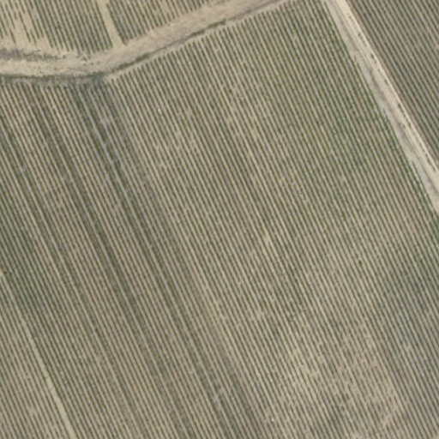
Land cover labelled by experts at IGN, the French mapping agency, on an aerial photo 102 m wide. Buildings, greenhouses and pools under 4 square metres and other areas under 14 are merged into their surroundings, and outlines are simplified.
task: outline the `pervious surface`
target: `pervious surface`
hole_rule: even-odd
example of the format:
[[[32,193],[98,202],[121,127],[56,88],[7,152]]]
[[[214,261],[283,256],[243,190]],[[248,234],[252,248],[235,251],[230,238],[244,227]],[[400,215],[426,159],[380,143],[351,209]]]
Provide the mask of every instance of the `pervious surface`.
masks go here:
[[[382,115],[388,117],[398,144],[405,151],[408,163],[415,171],[415,175],[422,180],[422,187],[429,195],[432,207],[439,213],[439,165],[425,144],[424,137],[420,135],[417,123],[406,110],[405,101],[401,101],[400,94],[384,69],[377,51],[370,45],[364,27],[360,26],[357,15],[353,14],[352,7],[346,0],[321,0],[322,7],[333,17],[350,55],[358,63],[360,74],[369,84],[377,105],[381,106]]]

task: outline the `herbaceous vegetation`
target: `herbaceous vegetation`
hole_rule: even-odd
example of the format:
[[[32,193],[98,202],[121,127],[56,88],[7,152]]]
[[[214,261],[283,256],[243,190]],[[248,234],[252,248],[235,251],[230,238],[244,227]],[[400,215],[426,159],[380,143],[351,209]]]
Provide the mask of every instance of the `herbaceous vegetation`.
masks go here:
[[[195,29],[201,29],[219,19],[225,19],[226,27],[232,29],[242,26],[257,15],[281,9],[286,3],[295,0],[209,0],[201,9],[180,15],[178,19],[168,22],[165,26],[149,29],[141,38],[123,43],[111,22],[106,5],[108,0],[98,0],[99,10],[110,34],[110,50],[98,51],[89,60],[79,60],[77,50],[51,46],[46,38],[39,38],[36,43],[29,41],[24,50],[0,50],[0,74],[93,74],[99,70],[110,69],[118,63],[129,62],[137,55],[154,50],[156,46],[165,45],[170,39],[180,38],[183,34],[192,33]]]

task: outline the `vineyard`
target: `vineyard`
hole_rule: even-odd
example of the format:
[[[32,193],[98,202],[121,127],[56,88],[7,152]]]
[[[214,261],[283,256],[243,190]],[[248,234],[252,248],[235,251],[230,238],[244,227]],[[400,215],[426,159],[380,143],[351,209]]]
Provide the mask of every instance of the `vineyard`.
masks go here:
[[[141,38],[149,29],[165,26],[168,22],[178,19],[180,15],[201,9],[209,0],[108,0],[106,5],[111,22],[123,43]]]
[[[89,60],[98,51],[110,50],[110,34],[99,10],[98,0],[0,0],[0,50],[24,50],[29,41],[36,43],[39,38],[46,38],[51,46],[77,50],[79,60]]]
[[[219,19],[201,29],[195,29],[192,33],[183,34],[180,38],[170,39],[165,45],[156,46],[154,50],[137,55],[129,62],[118,63],[110,69],[99,70],[93,74],[0,74],[0,439],[439,439],[439,213],[432,207],[429,195],[422,187],[422,180],[415,175],[415,171],[408,163],[405,151],[398,144],[388,117],[382,115],[381,106],[377,105],[369,84],[360,74],[358,63],[350,55],[333,17],[322,7],[321,0],[295,0],[286,3],[281,9],[257,15],[242,26],[232,29],[226,27],[225,19]]]
[[[360,26],[364,27],[370,45],[377,51],[384,69],[400,94],[401,101],[405,101],[406,110],[417,123],[420,135],[424,137],[425,144],[439,165],[439,0],[346,0],[352,7],[353,14],[357,15]]]

